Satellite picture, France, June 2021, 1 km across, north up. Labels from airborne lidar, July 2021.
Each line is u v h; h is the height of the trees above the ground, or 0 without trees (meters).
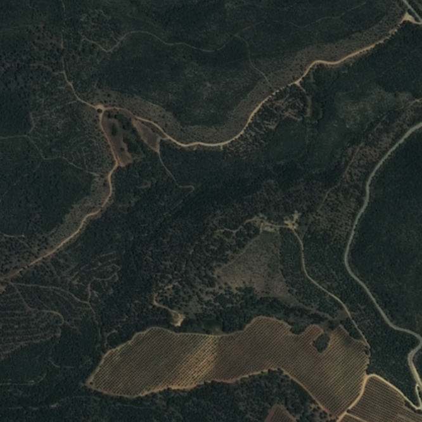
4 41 7
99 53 10
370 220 7
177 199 9
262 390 10
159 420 7
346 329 10
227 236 9
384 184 8
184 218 9
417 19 7
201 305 9
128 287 6
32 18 9
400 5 6
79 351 10
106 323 11
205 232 12
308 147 10
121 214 8
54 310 6
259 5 0
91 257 8
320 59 0
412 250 7
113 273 12
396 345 7
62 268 8
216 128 6
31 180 10
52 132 6
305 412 8
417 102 6
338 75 7
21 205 12
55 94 14
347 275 9
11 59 15
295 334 7
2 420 12
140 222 9
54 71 13
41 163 8
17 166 7
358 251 9
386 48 9
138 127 0
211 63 7
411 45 8
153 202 10
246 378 6
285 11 6
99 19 10
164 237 15
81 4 8
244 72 0
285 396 11
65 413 6
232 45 6
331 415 6
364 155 7
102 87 7
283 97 11
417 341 9
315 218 9
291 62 0
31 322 7
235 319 6
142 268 14
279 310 6
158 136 0
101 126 0
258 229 10
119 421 10
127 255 9
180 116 6
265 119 9
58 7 7
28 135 8
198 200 8
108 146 6
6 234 7
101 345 6
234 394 7
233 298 10
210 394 7
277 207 9
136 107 0
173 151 7
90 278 9
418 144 6
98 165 8
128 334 10
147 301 10
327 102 10
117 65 5
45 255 0
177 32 7
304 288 7
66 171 8
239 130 0
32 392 10
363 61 6
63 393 7
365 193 6
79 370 10
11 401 14
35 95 10
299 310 8
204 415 10
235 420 10
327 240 9
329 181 6
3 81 6
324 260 6
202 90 0
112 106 6
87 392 13
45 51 13
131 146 7
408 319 7
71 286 8
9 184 6
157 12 10
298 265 5
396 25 7
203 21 6
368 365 9
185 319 8
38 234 10
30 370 8
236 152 7
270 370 11
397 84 7
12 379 12
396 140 7
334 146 6
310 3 6
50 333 7
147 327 9
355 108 0
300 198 9
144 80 7
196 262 8
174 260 9
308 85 10
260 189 6
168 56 8
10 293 9
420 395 9
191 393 11
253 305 10
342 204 7
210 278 10
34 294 9
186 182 6
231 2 0
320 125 8
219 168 8
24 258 12
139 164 9
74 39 7
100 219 7
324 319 8
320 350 7
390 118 7
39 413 12
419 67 7
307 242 7
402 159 6
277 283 0
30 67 12
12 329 12
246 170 8
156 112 0
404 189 6
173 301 11
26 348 10
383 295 10
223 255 9
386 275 7
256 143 8
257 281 0
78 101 7
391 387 0
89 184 5
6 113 8
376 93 0
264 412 10
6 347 10
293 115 6
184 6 9
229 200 9
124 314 14
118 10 6
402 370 6
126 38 0
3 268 14
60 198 10
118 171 8
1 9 7
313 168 9
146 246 7
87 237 6
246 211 10
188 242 11
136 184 8
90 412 9
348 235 6
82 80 8
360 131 6
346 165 5
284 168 13
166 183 10
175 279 11
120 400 10
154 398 15
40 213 8
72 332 7
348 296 12
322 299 6
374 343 7
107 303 15
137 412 8
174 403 17
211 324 0
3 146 7
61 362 8
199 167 6
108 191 0
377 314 9
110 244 8
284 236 6
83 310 7
